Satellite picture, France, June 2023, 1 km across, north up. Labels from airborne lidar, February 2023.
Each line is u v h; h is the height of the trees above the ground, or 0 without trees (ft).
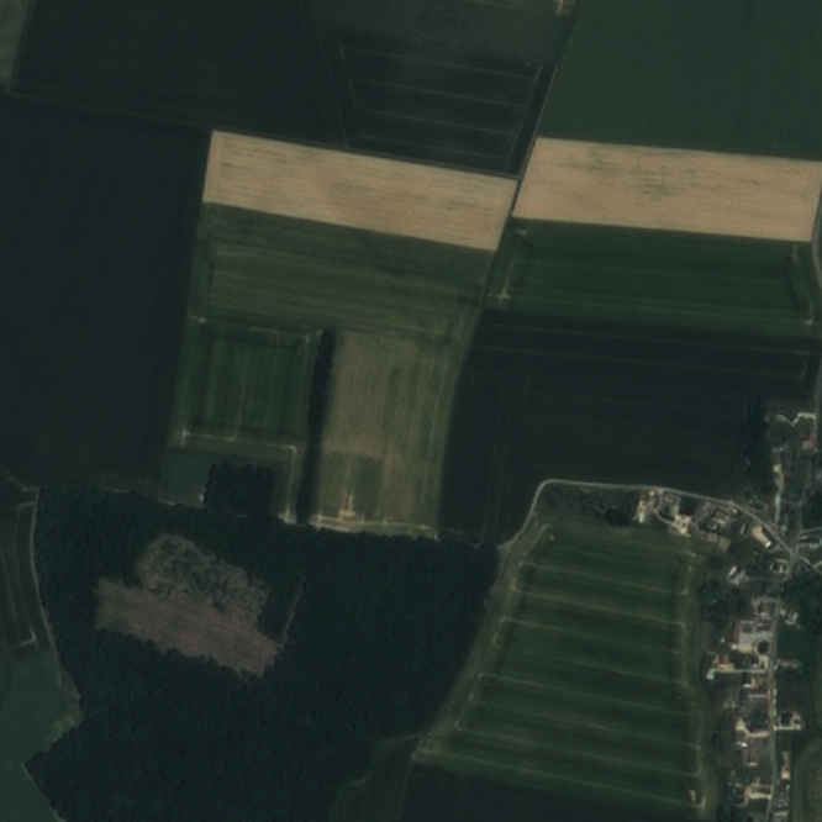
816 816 0
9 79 0
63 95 0
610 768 0
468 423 0
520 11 0
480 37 0
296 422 0
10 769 0
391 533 0
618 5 0
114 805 90
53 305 0
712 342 0
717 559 30
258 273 0
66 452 0
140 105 0
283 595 40
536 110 0
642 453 0
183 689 64
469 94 0
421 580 65
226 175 0
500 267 0
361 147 0
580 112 0
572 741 0
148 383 0
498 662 0
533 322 0
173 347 0
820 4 0
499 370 0
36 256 0
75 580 70
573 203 0
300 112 0
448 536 0
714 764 0
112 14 0
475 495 0
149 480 0
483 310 0
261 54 0
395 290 0
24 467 0
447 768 0
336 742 78
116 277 0
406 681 79
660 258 0
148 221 0
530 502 0
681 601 0
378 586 48
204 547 53
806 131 0
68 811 58
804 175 0
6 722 0
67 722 0
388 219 0
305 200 0
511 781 0
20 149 0
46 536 43
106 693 73
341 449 0
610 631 0
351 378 0
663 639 0
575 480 0
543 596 0
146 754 73
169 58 0
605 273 0
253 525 51
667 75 0
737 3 0
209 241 0
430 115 0
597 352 0
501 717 0
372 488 0
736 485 0
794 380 0
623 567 0
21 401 0
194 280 0
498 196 0
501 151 0
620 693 0
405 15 0
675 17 0
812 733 0
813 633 18
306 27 0
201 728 77
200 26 0
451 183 0
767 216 0
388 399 0
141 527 68
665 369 0
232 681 72
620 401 0
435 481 0
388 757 0
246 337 0
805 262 0
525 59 0
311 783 87
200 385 0
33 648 0
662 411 0
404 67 0
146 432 0
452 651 73
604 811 0
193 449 0
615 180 0
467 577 61
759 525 0
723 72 0
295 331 0
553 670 0
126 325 0
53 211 0
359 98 0
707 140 0
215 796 62
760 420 37
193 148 0
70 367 0
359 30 0
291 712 68
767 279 0
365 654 44
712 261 0
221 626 0
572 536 0
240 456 0
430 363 0
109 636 78
